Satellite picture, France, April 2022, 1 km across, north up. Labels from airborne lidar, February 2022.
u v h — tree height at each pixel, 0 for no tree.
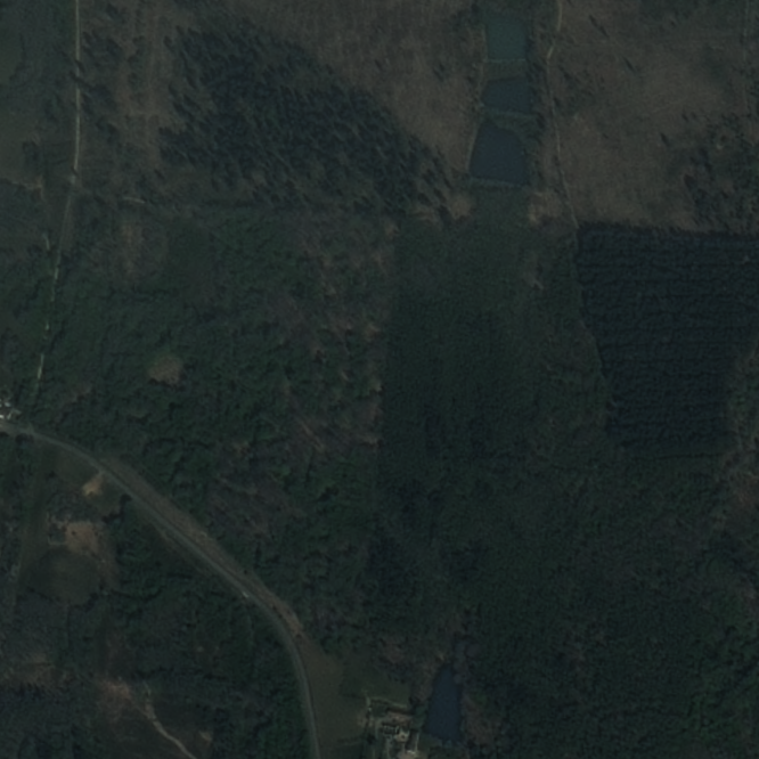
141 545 20
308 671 0
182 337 21
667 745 21
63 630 17
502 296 18
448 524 19
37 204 24
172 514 0
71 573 0
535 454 15
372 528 23
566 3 0
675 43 0
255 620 7
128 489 0
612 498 19
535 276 0
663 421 26
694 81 0
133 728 0
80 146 0
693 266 25
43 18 26
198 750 0
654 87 0
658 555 12
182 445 24
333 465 28
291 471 28
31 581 0
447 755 9
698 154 0
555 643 18
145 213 0
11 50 0
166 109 0
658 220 0
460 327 19
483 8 12
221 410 24
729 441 25
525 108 0
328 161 22
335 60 0
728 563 19
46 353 9
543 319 15
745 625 24
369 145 26
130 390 26
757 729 25
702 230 23
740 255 26
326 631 25
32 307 18
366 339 24
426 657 14
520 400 16
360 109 29
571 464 12
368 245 26
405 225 17
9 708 25
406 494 22
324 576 24
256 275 25
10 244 0
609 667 19
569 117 0
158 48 0
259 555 6
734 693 21
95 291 19
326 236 29
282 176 25
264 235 23
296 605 23
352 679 0
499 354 18
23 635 19
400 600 20
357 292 17
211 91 29
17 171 0
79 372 20
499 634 21
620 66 0
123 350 26
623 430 24
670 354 27
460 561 26
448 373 18
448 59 0
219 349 24
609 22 0
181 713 0
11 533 21
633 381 22
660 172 0
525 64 8
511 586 23
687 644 20
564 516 22
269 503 33
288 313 32
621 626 19
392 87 0
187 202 22
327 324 30
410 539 18
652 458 16
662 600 19
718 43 0
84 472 0
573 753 20
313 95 0
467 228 20
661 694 19
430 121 0
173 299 20
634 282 23
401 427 17
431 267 15
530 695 24
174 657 20
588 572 19
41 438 0
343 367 26
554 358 17
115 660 0
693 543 20
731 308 25
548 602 21
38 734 17
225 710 22
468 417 18
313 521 27
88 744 9
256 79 27
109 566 0
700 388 22
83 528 0
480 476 22
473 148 0
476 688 21
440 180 22
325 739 0
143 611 15
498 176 0
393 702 0
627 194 0
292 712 16
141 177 18
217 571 0
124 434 23
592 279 25
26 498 20
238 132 29
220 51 30
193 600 20
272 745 18
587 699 21
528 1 21
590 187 0
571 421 19
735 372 24
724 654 10
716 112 0
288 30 0
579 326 19
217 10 27
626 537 16
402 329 19
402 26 0
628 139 0
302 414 26
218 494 29
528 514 18
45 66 21
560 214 0
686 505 12
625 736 18
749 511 22
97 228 25
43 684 0
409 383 16
